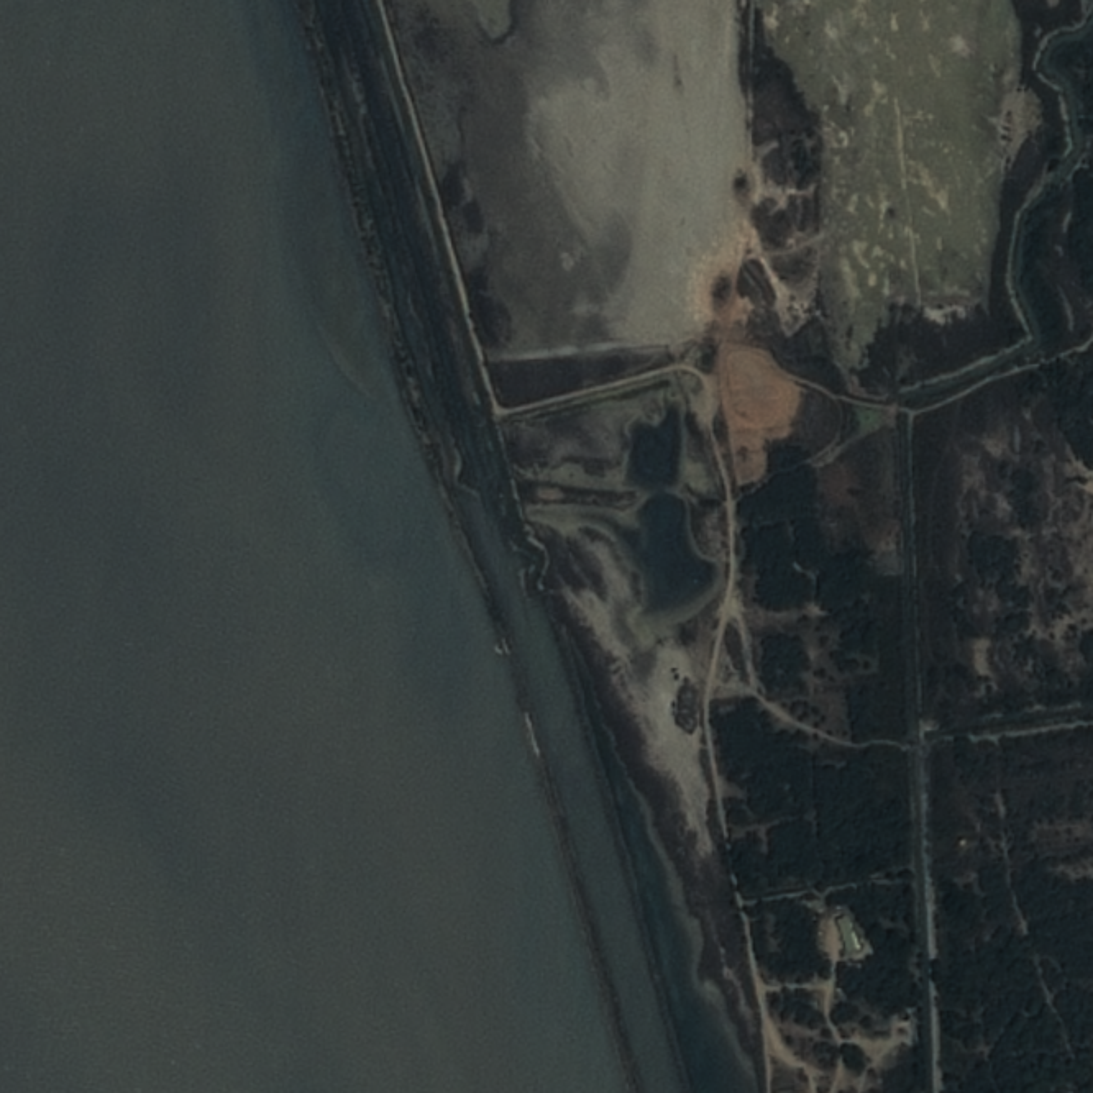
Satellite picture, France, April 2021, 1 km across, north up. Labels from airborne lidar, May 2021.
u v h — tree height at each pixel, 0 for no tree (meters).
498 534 0
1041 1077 9
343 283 0
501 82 0
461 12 0
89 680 0
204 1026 0
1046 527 0
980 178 0
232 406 0
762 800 6
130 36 0
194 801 0
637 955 0
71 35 0
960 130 0
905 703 5
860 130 0
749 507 6
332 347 0
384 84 0
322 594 0
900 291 0
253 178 0
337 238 0
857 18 0
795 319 0
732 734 6
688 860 0
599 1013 0
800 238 0
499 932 0
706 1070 0
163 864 0
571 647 0
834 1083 0
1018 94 0
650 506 0
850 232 0
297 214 0
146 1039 0
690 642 0
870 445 0
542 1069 0
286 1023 0
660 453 0
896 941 11
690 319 0
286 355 0
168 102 0
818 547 7
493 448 0
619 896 0
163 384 0
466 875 0
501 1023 0
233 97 0
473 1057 0
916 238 0
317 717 0
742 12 0
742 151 0
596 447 0
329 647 0
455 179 0
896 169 0
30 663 0
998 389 0
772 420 0
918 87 0
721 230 0
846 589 7
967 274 0
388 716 0
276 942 0
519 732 0
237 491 0
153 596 0
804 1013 5
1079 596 0
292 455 0
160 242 0
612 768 0
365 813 0
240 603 0
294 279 0
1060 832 0
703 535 0
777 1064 0
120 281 0
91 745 0
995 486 0
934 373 0
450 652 0
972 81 0
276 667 0
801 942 7
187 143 0
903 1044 0
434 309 0
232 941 0
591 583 0
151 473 0
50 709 0
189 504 0
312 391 0
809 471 6
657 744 0
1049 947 6
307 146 0
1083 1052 8
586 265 0
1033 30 0
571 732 0
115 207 0
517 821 0
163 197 0
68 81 0
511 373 0
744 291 0
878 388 0
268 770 0
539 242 0
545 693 0
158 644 0
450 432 0
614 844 0
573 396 0
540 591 0
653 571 0
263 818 0
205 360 0
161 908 0
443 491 0
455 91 0
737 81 0
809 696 0
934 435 0
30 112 0
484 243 0
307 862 0
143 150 0
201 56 0
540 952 0
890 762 0
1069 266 0
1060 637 0
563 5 0
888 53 0
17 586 0
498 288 0
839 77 0
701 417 0
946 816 0
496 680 0
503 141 0
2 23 0
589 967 0
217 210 0
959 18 0
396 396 0
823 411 0
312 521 0
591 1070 0
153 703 0
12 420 0
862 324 0
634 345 0
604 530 0
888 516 0
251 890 0
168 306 0
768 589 7
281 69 0
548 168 0
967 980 6
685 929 0
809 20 0
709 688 0
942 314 0
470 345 0
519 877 0
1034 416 0
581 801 0
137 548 0
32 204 0
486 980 0
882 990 6
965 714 0
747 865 7
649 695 0
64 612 0
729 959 0
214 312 0
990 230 0
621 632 0
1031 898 6
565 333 0
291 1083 0
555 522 0
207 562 0
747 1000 0
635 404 0
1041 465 0
